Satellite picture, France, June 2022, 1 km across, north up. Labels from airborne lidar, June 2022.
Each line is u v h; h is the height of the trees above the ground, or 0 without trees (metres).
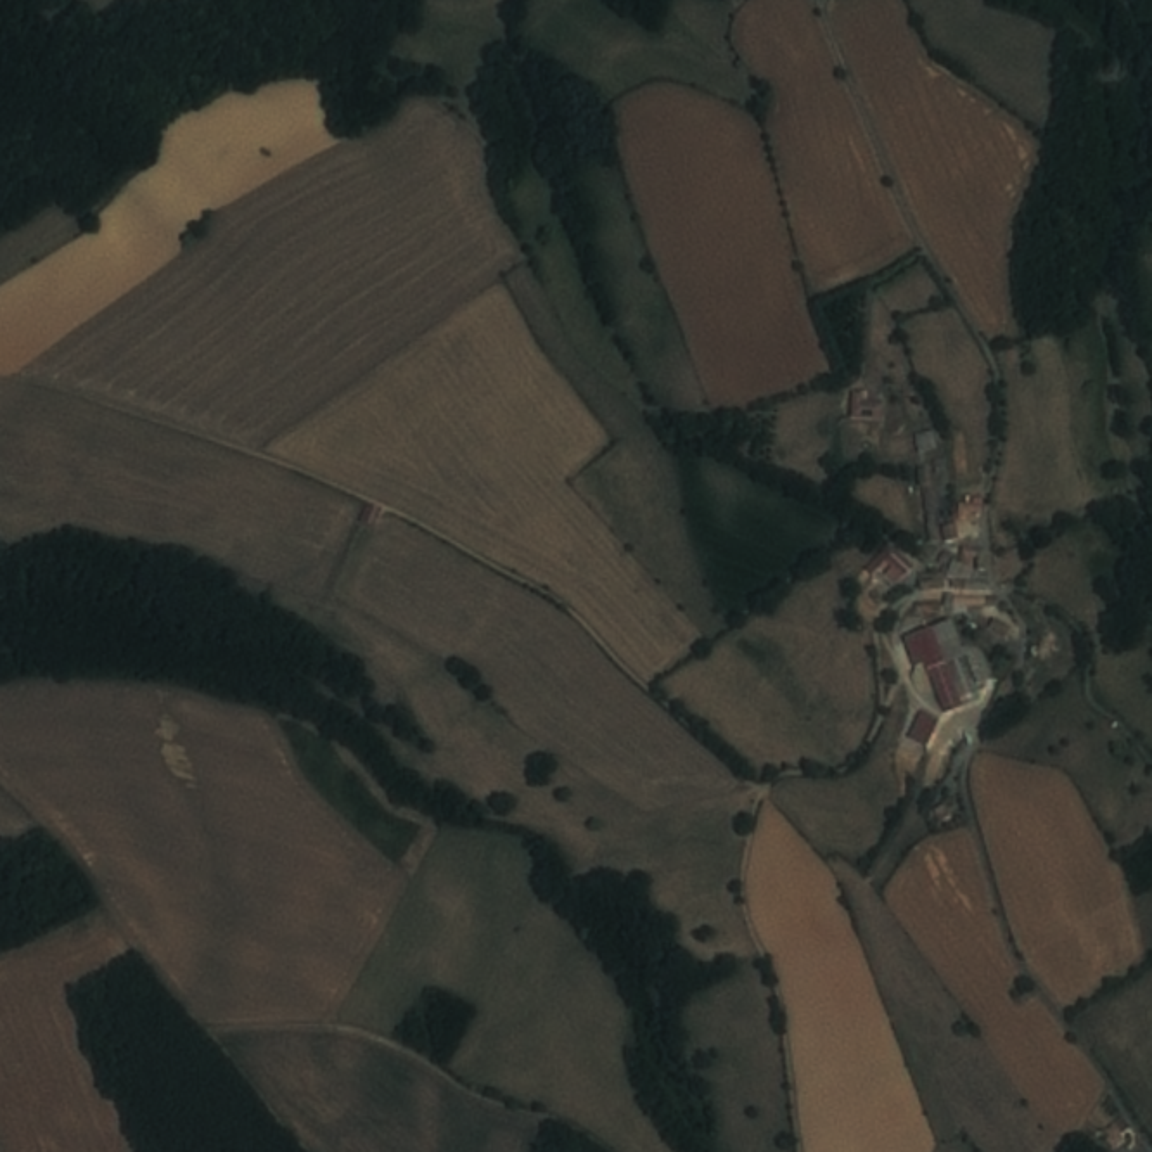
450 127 0
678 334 0
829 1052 0
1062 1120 0
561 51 0
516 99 27
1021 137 0
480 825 15
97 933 0
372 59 24
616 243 0
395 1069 0
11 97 14
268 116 0
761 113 23
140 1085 15
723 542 0
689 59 0
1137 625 25
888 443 0
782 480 20
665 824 0
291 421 0
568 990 0
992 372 6
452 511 0
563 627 0
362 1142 0
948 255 0
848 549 13
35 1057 0
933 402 14
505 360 0
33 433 0
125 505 0
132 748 0
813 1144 0
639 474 0
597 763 0
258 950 0
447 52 0
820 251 0
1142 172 6
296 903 0
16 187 22
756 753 0
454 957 0
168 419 0
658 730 0
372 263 0
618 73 0
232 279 0
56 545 13
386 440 0
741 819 13
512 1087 0
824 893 0
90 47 24
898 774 0
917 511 0
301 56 20
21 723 0
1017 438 0
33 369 0
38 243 0
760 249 0
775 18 0
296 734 0
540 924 0
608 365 0
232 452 0
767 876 0
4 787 0
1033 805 0
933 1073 0
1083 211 25
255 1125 15
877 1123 0
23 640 21
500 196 15
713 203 0
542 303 0
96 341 0
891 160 0
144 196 0
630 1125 0
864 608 0
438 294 0
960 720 0
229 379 0
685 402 0
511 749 0
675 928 9
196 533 0
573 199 28
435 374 0
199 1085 15
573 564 0
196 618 21
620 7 25
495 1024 0
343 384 0
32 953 0
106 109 17
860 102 0
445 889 0
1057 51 15
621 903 25
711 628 0
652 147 0
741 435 11
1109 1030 0
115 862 0
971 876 0
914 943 0
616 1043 0
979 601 0
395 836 0
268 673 20
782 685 0
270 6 24
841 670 0
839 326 11
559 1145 17
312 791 0
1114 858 12
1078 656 11
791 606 0
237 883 0
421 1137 0
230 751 0
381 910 0
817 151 0
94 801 0
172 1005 15
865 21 0
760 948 0
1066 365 0
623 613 0
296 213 0
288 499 0
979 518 0
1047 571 0
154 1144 12
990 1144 0
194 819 0
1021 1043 0
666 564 0
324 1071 0
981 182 0
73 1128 0
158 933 0
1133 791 13
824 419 0
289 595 0
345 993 0
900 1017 0
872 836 0
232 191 0
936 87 0
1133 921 0
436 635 0
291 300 0
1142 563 25
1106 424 0
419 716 0
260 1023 0
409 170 0
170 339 0
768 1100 0
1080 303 23
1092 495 0
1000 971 0
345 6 26
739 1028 0
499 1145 0
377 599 0
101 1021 17
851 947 0
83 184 20
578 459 0
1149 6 19
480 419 0
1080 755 0
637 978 6
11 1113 0
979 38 0
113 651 18
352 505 0
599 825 9
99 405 0
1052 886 0
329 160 0
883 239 0
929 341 0
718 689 0
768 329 0
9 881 23
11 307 0
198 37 25
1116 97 6
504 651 0
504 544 0
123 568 13
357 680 18
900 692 0
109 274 0
